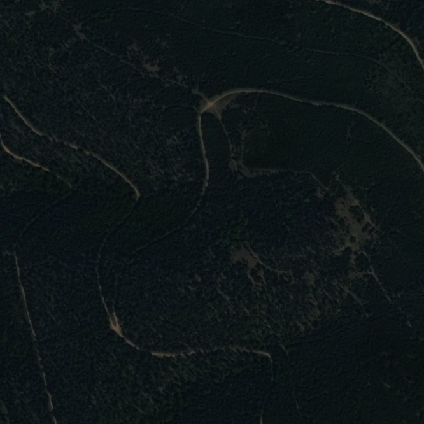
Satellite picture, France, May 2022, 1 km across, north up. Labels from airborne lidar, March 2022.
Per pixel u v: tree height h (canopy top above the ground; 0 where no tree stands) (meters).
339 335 13
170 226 15
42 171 10
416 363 21
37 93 29
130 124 31
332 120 7
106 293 26
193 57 6
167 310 24
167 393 30
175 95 9
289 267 8
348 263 9
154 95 9
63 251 14
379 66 9
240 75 8
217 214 27
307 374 14
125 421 32
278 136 7
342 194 10
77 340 27
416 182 7
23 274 13
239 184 29
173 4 6
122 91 10
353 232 0
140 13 12
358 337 15
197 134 11
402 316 14
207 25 7
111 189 15
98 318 28
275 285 36
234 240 26
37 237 16
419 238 9
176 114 11
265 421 11
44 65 33
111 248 13
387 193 11
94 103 26
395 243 8
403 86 11
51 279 30
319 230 30
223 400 26
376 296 10
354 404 12
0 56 29
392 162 6
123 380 26
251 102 8
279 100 10
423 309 15
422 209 9
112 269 25
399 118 9
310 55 7
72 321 31
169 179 16
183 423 30
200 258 15
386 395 16
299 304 28
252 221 25
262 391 28
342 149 8
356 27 7
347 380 16
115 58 9
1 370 29
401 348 21
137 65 14
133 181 7
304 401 13
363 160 7
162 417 23
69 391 15
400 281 10
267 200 25
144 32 7
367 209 8
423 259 10
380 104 8
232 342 6
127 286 27
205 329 29
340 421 18
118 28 9
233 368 33
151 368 25
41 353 33
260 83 9
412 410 17
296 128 6
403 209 9
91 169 29
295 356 12
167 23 10
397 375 19
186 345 31
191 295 26
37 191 21
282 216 29
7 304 14
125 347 24
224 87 11
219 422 26
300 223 29
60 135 21
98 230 19
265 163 7
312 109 11
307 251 30
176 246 12
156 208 15
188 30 7
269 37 8
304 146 7
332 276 26
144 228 14
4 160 27
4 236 17
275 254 34
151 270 29
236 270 11
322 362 17
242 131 6
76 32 8
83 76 28
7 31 26
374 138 8
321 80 8
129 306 24
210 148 11
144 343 25
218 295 29
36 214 22
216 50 8
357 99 8
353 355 11
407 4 7
